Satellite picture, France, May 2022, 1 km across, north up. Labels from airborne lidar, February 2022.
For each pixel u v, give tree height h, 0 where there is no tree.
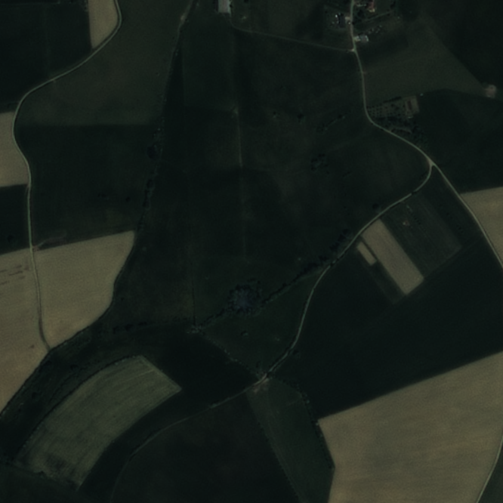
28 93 0
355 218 0
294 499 0
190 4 0
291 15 0
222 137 0
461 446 0
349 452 0
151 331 0
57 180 0
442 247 0
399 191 0
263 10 0
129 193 0
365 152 0
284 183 0
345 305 0
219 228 0
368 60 0
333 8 0
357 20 8
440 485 0
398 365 0
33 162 0
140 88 0
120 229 0
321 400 0
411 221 0
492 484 0
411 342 0
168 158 0
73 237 0
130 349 0
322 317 0
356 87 0
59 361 0
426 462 0
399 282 0
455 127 0
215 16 0
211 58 0
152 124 0
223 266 0
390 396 0
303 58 0
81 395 0
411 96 0
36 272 0
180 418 0
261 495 0
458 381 0
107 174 0
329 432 0
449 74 0
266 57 0
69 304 0
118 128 0
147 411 0
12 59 0
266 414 0
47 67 0
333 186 0
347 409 0
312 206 0
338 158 0
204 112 0
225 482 0
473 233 0
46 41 0
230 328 0
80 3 0
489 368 0
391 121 15
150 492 0
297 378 0
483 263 0
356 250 0
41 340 0
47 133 0
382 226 0
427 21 0
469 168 0
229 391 0
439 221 0
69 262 0
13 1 0
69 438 0
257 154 0
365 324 0
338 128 0
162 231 0
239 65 0
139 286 0
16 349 0
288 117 0
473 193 0
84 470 0
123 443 0
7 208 0
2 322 0
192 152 0
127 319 0
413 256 0
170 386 0
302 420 0
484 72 0
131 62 0
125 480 0
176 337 0
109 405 0
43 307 0
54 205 0
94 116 0
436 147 0
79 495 0
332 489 0
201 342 0
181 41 0
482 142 0
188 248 0
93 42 0
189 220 0
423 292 0
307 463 0
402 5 0
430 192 0
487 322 0
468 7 0
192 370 0
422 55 0
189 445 0
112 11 0
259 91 0
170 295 0
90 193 0
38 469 0
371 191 0
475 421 0
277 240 0
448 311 0
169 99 0
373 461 0
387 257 0
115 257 0
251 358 0
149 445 0
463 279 0
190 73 0
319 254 0
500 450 0
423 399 0
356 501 0
